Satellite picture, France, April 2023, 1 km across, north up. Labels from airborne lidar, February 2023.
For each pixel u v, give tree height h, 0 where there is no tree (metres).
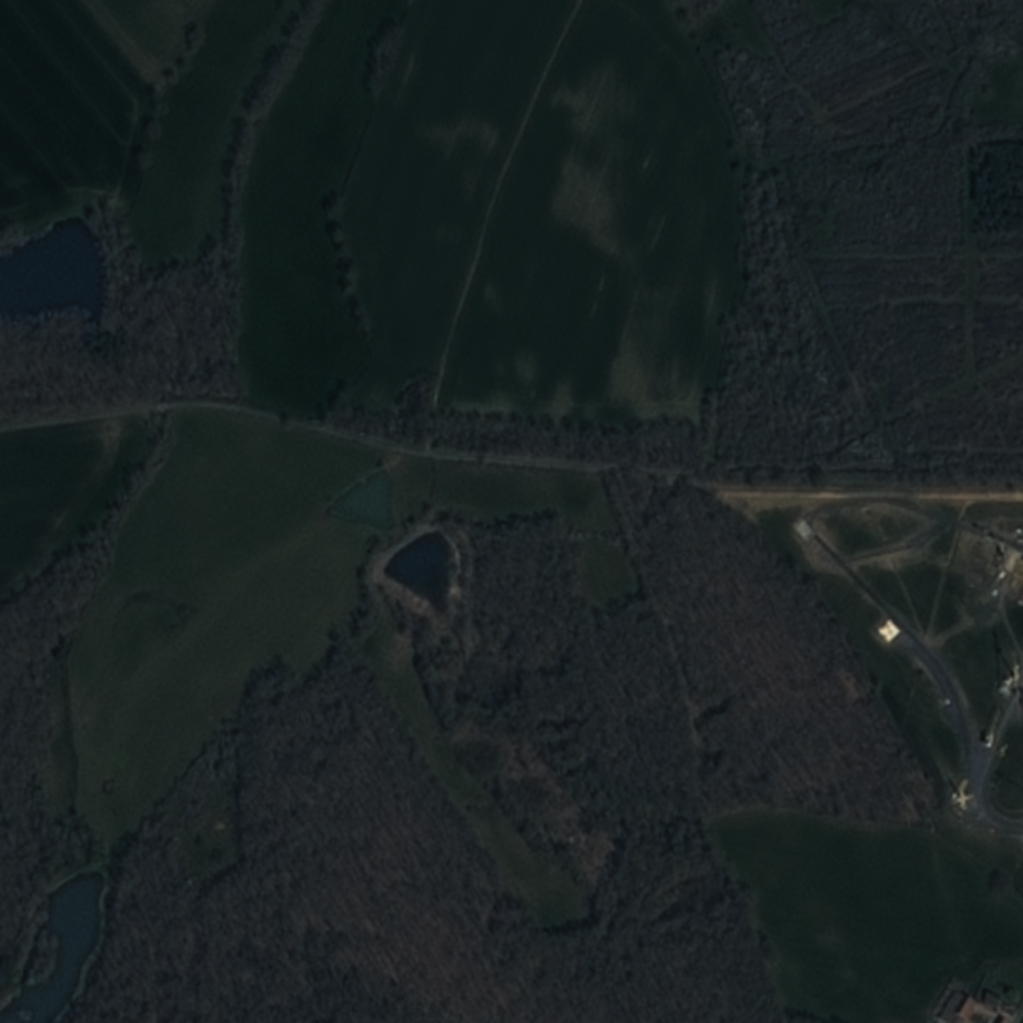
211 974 24
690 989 23
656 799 25
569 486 0
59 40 0
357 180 0
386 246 0
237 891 22
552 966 19
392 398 0
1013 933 0
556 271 0
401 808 27
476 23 0
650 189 0
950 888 0
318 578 0
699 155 0
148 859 24
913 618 0
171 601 0
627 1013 21
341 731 25
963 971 0
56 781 0
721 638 19
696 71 0
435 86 0
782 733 19
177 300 20
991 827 0
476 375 0
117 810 0
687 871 20
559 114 0
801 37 5
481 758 0
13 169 0
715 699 14
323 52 0
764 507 0
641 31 0
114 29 0
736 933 21
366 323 14
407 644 0
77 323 10
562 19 0
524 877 0
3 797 24
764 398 8
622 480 15
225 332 22
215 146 0
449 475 0
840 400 10
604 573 0
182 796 6
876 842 0
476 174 0
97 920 0
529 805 6
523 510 0
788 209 14
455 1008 21
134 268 7
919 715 0
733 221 0
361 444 0
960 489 18
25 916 15
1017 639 0
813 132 8
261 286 0
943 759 0
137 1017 10
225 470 0
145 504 0
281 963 24
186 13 0
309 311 0
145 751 0
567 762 24
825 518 0
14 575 0
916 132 6
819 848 0
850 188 12
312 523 0
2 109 0
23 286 0
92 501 0
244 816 15
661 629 20
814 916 0
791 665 20
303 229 0
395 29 16
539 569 21
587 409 0
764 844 0
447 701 22
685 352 0
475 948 24
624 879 24
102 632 0
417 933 20
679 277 0
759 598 19
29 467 0
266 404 0
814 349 8
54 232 0
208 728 0
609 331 0
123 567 0
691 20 11
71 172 0
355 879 25
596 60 0
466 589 19
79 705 0
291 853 25
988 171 12
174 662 0
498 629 19
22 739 20
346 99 0
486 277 0
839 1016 0
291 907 23
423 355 0
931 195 12
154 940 25
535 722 20
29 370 19
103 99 0
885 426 7
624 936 22
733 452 7
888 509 0
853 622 0
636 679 20
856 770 18
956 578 0
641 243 0
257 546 0
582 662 21
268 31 0
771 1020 19
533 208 0
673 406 0
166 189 0
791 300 7
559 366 0
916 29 6
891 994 0
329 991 22
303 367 0
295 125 0
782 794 21
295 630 0
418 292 0
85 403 19
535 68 0
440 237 0
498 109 0
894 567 0
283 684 19
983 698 0
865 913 0
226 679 0
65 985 0
